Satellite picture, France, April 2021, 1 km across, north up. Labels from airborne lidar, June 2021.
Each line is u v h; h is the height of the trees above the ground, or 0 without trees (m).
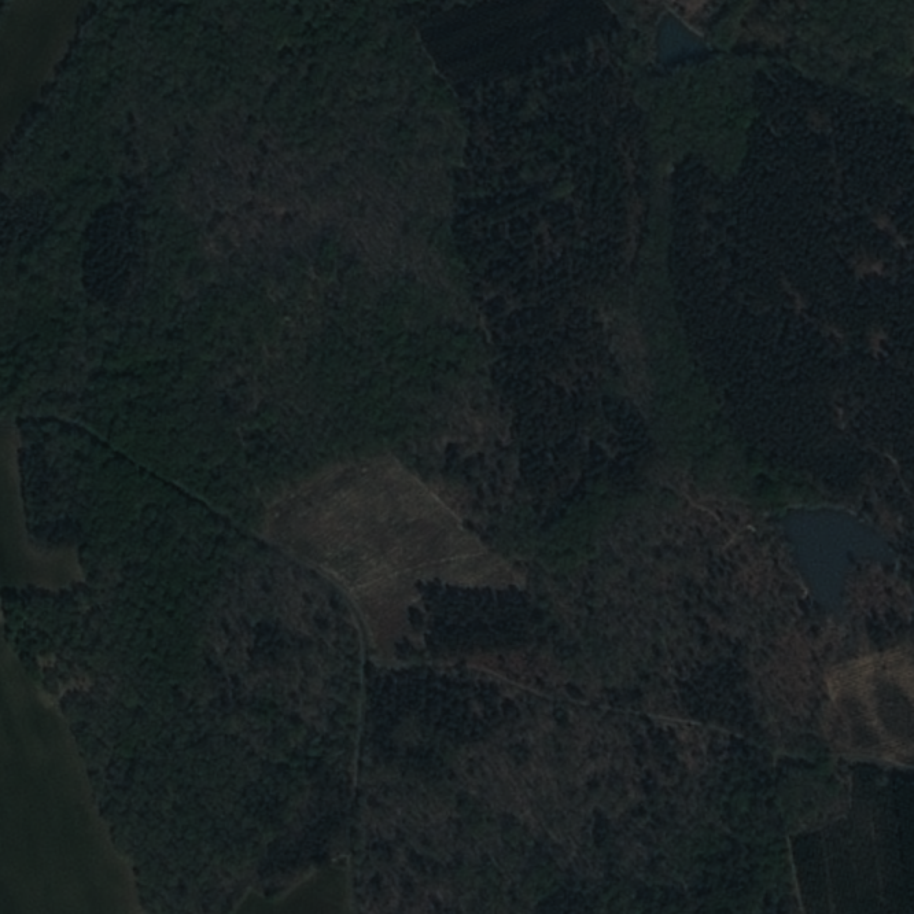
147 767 27
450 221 18
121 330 21
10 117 0
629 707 8
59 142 23
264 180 13
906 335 24
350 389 20
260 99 17
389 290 20
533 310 19
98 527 18
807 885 7
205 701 17
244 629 16
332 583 0
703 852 21
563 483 24
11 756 0
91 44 18
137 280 15
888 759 0
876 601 7
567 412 23
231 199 18
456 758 16
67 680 16
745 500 19
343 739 8
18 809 0
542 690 11
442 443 21
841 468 18
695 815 15
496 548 15
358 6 21
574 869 11
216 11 20
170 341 26
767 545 12
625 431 24
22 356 22
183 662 22
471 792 15
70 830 0
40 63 0
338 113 16
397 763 13
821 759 18
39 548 14
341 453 22
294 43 14
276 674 13
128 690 25
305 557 0
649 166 16
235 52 19
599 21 10
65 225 26
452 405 20
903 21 16
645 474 23
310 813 15
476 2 20
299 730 27
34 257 29
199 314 17
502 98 19
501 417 21
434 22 7
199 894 16
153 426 23
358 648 6
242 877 20
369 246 18
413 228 17
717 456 21
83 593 18
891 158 22
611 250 20
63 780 0
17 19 0
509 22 9
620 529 15
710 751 10
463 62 10
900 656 0
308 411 17
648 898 27
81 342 17
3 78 0
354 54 19
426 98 19
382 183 14
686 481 12
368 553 0
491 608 21
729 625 12
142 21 23
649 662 9
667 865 16
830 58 23
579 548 18
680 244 23
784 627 12
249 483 21
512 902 15
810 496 15
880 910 8
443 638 21
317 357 22
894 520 12
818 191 22
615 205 20
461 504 7
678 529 7
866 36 22
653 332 20
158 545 21
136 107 15
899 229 19
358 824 20
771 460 19
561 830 15
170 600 25
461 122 15
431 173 16
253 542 21
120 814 26
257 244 18
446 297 18
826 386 24
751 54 18
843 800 11
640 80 18
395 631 0
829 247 22
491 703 15
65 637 18
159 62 24
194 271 19
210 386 19
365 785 6
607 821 18
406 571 0
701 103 22
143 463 19
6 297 12
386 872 15
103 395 22
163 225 24
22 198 16
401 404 17
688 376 24
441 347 21
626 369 15
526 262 21
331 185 18
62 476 22
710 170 21
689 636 7
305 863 17
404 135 16
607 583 15
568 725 19
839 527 0
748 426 21
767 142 18
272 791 27
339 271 20
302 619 15
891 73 18
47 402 17
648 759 19
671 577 7
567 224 22
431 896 12
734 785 18
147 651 25
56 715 0
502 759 14
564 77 19
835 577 0
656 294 21
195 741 19
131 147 14
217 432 16
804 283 20
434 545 0
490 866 17
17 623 20
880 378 22
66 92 16
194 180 16
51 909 0
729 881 25
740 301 22
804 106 22
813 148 23
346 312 19
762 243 21
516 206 20
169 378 22
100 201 18
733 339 25
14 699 0
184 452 18
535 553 15
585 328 27
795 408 25
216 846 29
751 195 20
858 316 24
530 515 16
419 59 19
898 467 16
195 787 26
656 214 21
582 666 17
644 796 16
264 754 21
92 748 22
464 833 19
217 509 15
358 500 0
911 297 25
